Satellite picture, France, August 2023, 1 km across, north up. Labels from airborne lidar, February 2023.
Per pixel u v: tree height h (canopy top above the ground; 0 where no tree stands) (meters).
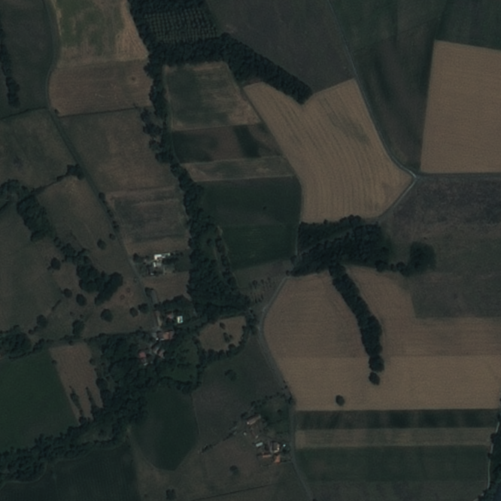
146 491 0
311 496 0
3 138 0
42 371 0
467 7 0
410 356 0
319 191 0
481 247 0
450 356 0
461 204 0
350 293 27
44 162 0
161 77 17
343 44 0
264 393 0
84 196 0
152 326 0
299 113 0
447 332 0
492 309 0
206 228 8
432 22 0
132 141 0
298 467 0
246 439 0
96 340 8
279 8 0
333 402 0
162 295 0
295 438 0
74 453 12
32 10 0
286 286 0
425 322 0
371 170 0
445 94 0
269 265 0
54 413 0
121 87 0
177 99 0
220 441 0
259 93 0
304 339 0
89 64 0
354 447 0
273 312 0
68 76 0
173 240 0
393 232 0
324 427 0
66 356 0
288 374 0
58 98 0
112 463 0
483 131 0
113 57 0
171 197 0
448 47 0
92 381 0
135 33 0
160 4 19
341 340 0
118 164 0
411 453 0
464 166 0
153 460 0
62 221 0
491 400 0
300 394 0
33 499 0
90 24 0
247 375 0
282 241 0
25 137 0
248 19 0
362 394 0
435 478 0
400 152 0
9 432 0
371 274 0
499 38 0
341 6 0
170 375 0
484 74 0
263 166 0
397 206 0
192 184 17
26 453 14
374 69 0
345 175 0
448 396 0
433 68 0
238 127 0
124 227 0
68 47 0
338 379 0
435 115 0
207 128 0
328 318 0
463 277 0
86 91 0
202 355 6
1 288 0
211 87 0
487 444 0
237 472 17
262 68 31
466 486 0
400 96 0
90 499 0
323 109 0
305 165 0
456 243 0
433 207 0
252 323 8
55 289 0
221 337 0
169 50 18
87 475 0
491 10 0
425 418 0
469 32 0
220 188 0
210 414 0
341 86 0
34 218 16
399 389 0
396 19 0
